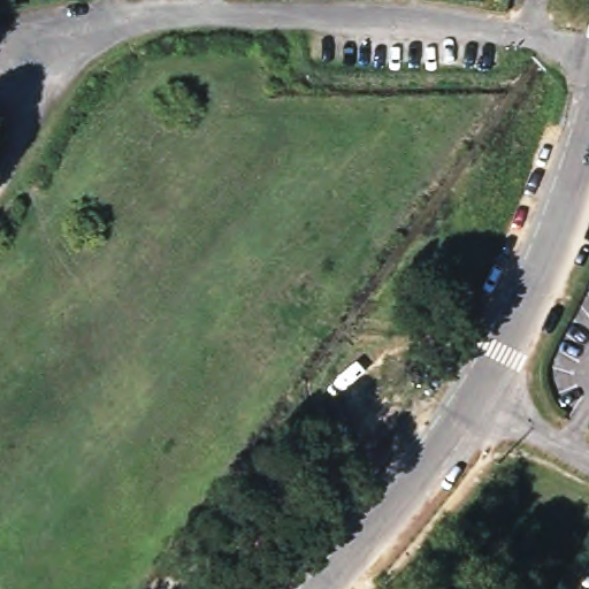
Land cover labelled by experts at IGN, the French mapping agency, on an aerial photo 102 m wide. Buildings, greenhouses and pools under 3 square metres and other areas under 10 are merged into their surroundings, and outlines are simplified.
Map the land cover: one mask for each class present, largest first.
<instances>
[{"label":"herbaceous vegetation","instance_id":"1","mask_svg":"<svg viewBox=\"0 0 589 589\"><path fill-rule=\"evenodd\" d=\"M253 30H163L156 35L127 39L120 46L106 51L104 55L108 60H117L127 53H150L156 60L140 64L138 78L131 81L129 97L120 101H104L101 108L87 115V124H83L78 133L69 140V147L62 156V163L53 177L51 189L41 191L37 186L39 179L32 166H37L44 156L51 136L60 124L67 104L74 97V87L69 85L58 99L48 104V110L39 113L37 140L28 147V152L21 156V161L7 179L0 184V209L14 207L21 193H28L32 200L30 216L18 228L14 246L5 248L0 255V589H143L152 575L175 577V587H184L189 582L191 568L179 561L175 531L184 525L196 527L198 518L207 513V506L202 502L214 479L242 476L248 472V465L253 462V458H258V451L262 449V439L271 437L276 426L290 423L297 428H327L336 433L341 439L354 446L357 467L361 469L368 488H382L384 492L387 485L393 481L387 474L391 460L400 462L405 472H412L419 462L421 442L416 437L412 407L414 403L423 400V391L428 387L414 382L410 370L405 368L403 354L387 357L380 373H375L373 377H359L354 384L338 391L336 396L327 393L329 384L347 366L359 364L361 354H368L373 359L382 347H389L393 338L400 336L398 329L391 324L396 297L393 285L387 281L396 271V267L405 269L407 265H412V269H433L439 281L451 278L467 283L479 297L485 295L483 285L490 271L495 269L497 255L513 239V235H508V225L518 212V205L522 202L520 198L525 193L529 173L536 168L534 154L538 150V140L545 127H550L541 115L548 87L543 83L541 71L534 64L536 51L513 46H495L492 69L444 64L428 71L421 60L419 64H412V69H389L382 76L338 74L334 85H345L343 97H276L274 87L269 85V58L260 51L258 41H251ZM170 76H196L200 83L207 85V120H202L198 129H189L184 124H163V113L159 101L154 99V90H159ZM83 196L97 198L99 202L113 207L115 221L110 239L94 237L92 232L74 235L71 228L78 221ZM108 64L101 55L92 60L81 74H76L74 81L76 85L92 87L94 76L90 71H104ZM527 370L531 373L529 396L534 407L552 428H561L568 419L552 412V400L543 380V361L534 354L527 361ZM499 460L492 462L481 483L472 490L469 499L451 513L460 520V536L472 543L476 557H481L485 564L518 568V589H554L564 571H568L575 561H589V474L580 472L577 467L568 465L554 453L538 449L529 442L506 439L497 444Z\"/></svg>","mask_w":589,"mask_h":589},{"label":"impervious surface","instance_id":"2","mask_svg":"<svg viewBox=\"0 0 589 589\"><path fill-rule=\"evenodd\" d=\"M511 12L502 14L476 12L469 9L465 2L451 0H92L90 5L76 2L71 5V9L58 2H48V7L44 9L21 7V12L16 14L9 0H0V115L7 120V161L2 170V177L7 179L21 161V156L28 152V147L37 140L39 113L48 110V104L58 99L69 85L74 81L76 74H81L92 60L101 55H104L106 51L120 46L127 39L156 35L163 30H308L313 58H336L345 64L357 62L359 67H364V62H370V67L389 64V69H412V64H419L421 60L428 71L444 64L492 69L495 46H513L536 51L534 64L541 71L550 64H559L568 83V104L561 113V120L550 127H545L538 140V150L534 154L536 168L529 173L525 193L520 198L522 202L518 205V212L508 225V235H513V239L497 255L495 269L490 271L483 285L485 295L479 297L481 320L476 329L488 341L479 343L483 350L481 357L460 366L458 380L435 382L428 387L423 391V400L414 403L412 407L416 437L421 442L419 462L412 472H405L400 462L391 460L387 474L393 481L387 485L384 492V499L364 515L361 531H357L350 543L336 548L329 554V564L324 571L306 575V580L295 589H373L380 571L396 573L403 566H407V561L421 550L428 534L435 529V525L446 513H451L469 499L472 490L481 483L492 462L499 460L497 444L506 439L529 442L538 449L554 453L568 465L577 467L580 472L589 474V297L584 299L575 322L568 324V334L566 338H561V347L554 359V384L559 389V403L561 407L573 410L568 419L561 428H552L534 407L529 396L531 373L527 370V361L534 354L543 329H554L561 318L564 308L559 304L568 299V276L580 260V248L587 242L589 230V25L584 32L554 30V14L548 12V0H508ZM554 589H589V561H575L568 571H564Z\"/></svg>","mask_w":589,"mask_h":589},{"label":"deciduous trees","instance_id":"3","mask_svg":"<svg viewBox=\"0 0 589 589\"><path fill-rule=\"evenodd\" d=\"M7 120L0 115V184L7 179L2 177V170L7 161ZM387 281L393 285L396 297L391 324L398 329L400 336L410 341L407 350L423 357L428 366H437L439 361H456L460 366L481 357L483 350L479 343L488 341L476 329L481 320L479 297L467 283L451 278L439 281L433 269H412V265H407L405 269L396 267V271ZM384 499V492L382 488H368L361 469L357 467L354 446L341 439L336 433L327 428H297L290 423L276 426L271 437L262 439V449L258 451V458H253V462L248 465V472L242 476L214 479L202 502L207 506V513L198 518L196 527L184 525L175 531L179 561L191 568L189 582L184 587V589H295L306 580V575L324 571L329 564V554L336 548L350 543L357 531H361L364 515ZM460 520L451 513H446L435 525V529L428 534L421 550L407 561V566H403L396 573L380 571L373 589H518V568L485 564L481 557H476L472 543L460 536Z\"/></svg>","mask_w":589,"mask_h":589},{"label":"brushwood","instance_id":"4","mask_svg":"<svg viewBox=\"0 0 589 589\"><path fill-rule=\"evenodd\" d=\"M48 2H58L71 9V5L76 2L90 5L92 0H9L16 14L21 12V7L44 9L48 7ZM465 2L469 9L476 12L502 14L511 12L508 0H451ZM548 12L554 14V30L584 32L589 25V0H548ZM251 41H258L260 51L269 58V85L274 87L276 97H343L345 85H334L338 74L382 76L389 69V64L370 67V62H364V67H359L357 62L345 64L336 58H313L308 30H253ZM108 64L104 71H90L94 76L92 87L76 85L74 81L69 85L74 87V97L67 104L60 124L51 136L44 156L37 166H32L39 179L37 186L41 191L51 189L53 177L62 163V156L69 147V140L78 133L83 124H87V115L101 108L104 101H120L129 97L131 81L138 78L140 64L156 60L150 53H127L117 60H108L104 55H101ZM543 83L548 87L541 115L550 127L561 120V113L568 104V83L559 64H550L541 71ZM154 99L159 101L163 113V124H184L189 129H198L202 120H207V85L200 83L196 76H170L159 90H154ZM32 200L28 193H21L14 207L0 209V255L5 248L14 246L18 228L30 216ZM115 221L113 207L99 202L97 198L83 196L78 221L71 228L74 235L92 232L94 237L110 239ZM568 299L559 304L564 308L561 318L554 329H543L534 354L543 361V380L552 400V412L568 419L573 410L561 407L559 403V389L554 384V359L561 347V338H566L568 334V324L575 322L584 299L589 297V230L587 242L580 248V260L568 276ZM405 368L410 370L414 382L428 387L435 382L458 380L460 366L456 361H439L437 366H428L423 357L407 350L403 354Z\"/></svg>","mask_w":589,"mask_h":589},{"label":"pervious surface","instance_id":"5","mask_svg":"<svg viewBox=\"0 0 589 589\"><path fill-rule=\"evenodd\" d=\"M410 341L400 336L393 338L389 347H382L373 359L368 354H361L359 364L347 366L329 384L327 393L336 396L338 391L354 384L359 377H373L375 373H380L387 357L403 354L407 350ZM143 589H184V587H175V577L152 575Z\"/></svg>","mask_w":589,"mask_h":589}]
</instances>
